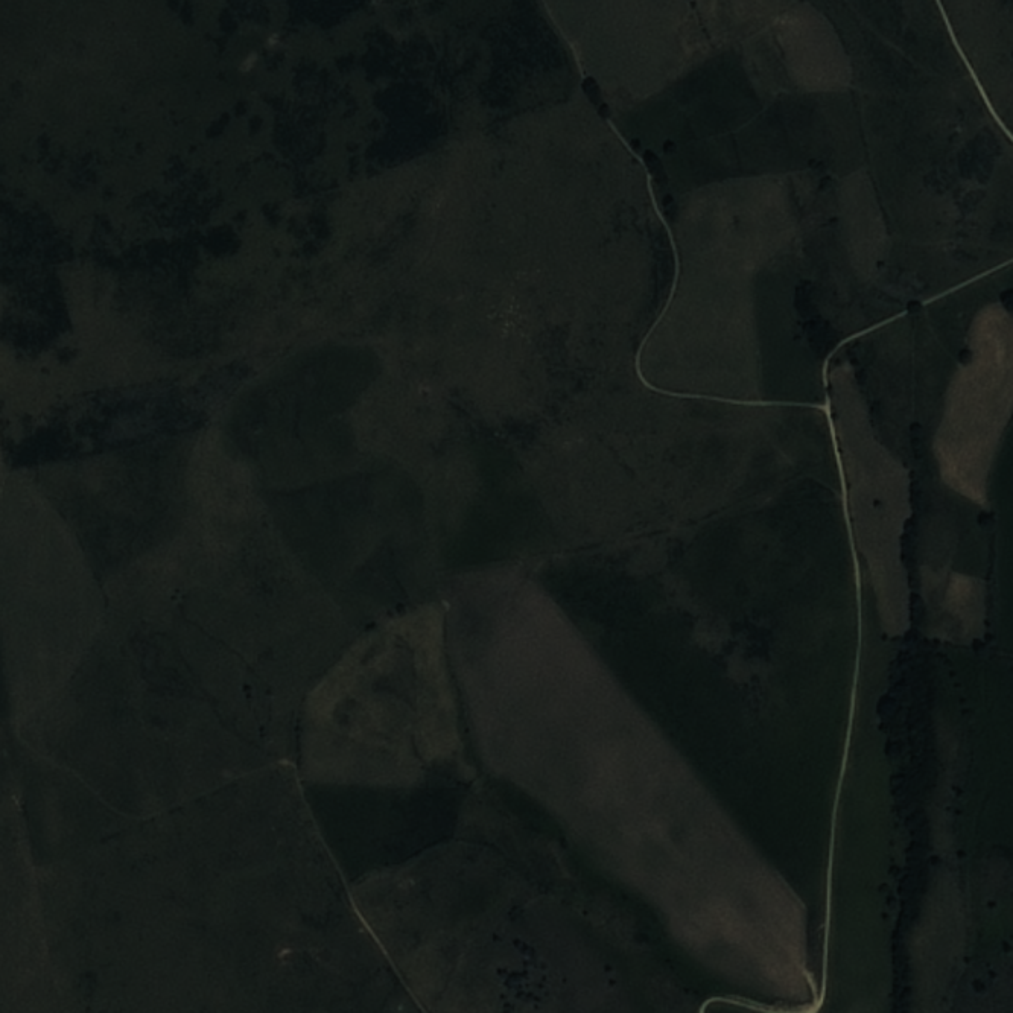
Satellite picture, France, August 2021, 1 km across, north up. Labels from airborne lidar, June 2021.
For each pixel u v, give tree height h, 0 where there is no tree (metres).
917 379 0
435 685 0
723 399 0
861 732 0
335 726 0
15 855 0
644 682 0
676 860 0
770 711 0
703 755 0
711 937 0
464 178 0
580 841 0
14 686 0
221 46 0
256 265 0
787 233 0
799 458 0
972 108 0
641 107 0
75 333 0
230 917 0
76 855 0
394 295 0
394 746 0
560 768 0
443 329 0
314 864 0
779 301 0
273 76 0
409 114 0
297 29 0
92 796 0
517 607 0
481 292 0
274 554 0
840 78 0
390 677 0
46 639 0
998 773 0
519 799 0
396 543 0
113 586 0
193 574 0
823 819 0
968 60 0
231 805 0
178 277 0
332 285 0
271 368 0
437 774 0
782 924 0
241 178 0
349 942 0
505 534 0
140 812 0
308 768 0
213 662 0
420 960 0
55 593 0
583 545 0
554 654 0
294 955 0
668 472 0
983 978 0
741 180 0
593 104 7
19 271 0
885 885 6
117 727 0
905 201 0
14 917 0
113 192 0
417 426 0
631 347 0
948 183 0
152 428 0
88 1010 0
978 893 0
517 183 0
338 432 0
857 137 0
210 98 0
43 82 0
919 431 9
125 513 0
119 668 0
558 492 0
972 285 0
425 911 0
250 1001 0
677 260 0
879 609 0
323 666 0
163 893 0
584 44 0
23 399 0
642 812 0
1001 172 0
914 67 0
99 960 0
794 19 0
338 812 0
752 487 0
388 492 0
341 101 0
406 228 0
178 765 0
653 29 0
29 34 0
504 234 0
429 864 0
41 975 0
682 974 0
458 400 0
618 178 0
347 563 0
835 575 0
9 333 0
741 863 0
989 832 0
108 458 0
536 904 0
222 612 0
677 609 0
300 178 0
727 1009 0
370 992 0
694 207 0
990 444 0
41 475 0
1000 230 0
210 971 0
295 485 0
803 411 0
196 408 0
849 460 0
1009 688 0
